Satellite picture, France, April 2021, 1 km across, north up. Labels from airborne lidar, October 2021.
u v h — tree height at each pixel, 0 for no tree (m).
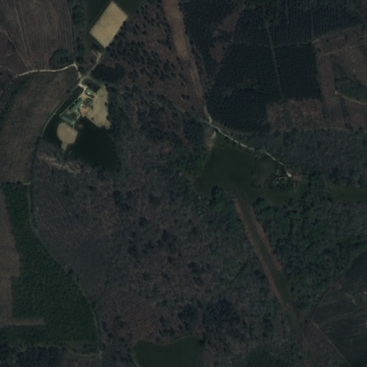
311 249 27
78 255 11
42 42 0
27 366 22
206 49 10
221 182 0
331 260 29
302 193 0
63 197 21
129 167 12
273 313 22
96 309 16
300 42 9
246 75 15
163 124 7
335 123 0
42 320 19
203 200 11
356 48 0
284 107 11
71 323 17
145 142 11
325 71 0
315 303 23
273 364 19
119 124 25
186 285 13
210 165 0
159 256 10
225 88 15
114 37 0
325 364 11
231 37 9
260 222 22
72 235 11
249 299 14
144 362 0
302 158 16
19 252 14
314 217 29
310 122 6
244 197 0
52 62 7
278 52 12
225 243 11
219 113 15
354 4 6
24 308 16
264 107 15
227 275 22
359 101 22
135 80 19
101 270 13
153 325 5
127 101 27
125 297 6
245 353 20
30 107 9
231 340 19
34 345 18
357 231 26
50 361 26
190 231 17
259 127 17
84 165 12
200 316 23
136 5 0
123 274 12
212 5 11
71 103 0
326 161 18
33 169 12
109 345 17
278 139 20
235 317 17
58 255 8
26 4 0
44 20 0
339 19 10
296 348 12
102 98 0
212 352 6
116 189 13
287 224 26
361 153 10
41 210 13
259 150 16
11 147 10
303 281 25
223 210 26
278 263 11
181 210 9
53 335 18
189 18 12
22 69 0
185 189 10
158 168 12
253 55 12
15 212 14
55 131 0
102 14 0
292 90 15
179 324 9
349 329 0
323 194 17
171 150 6
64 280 13
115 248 8
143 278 15
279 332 10
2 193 17
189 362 0
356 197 0
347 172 10
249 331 7
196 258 12
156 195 22
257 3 14
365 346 0
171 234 7
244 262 21
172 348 0
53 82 9
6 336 16
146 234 14
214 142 0
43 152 12
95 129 0
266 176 0
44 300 13
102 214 17
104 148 0
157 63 19
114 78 12
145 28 16
